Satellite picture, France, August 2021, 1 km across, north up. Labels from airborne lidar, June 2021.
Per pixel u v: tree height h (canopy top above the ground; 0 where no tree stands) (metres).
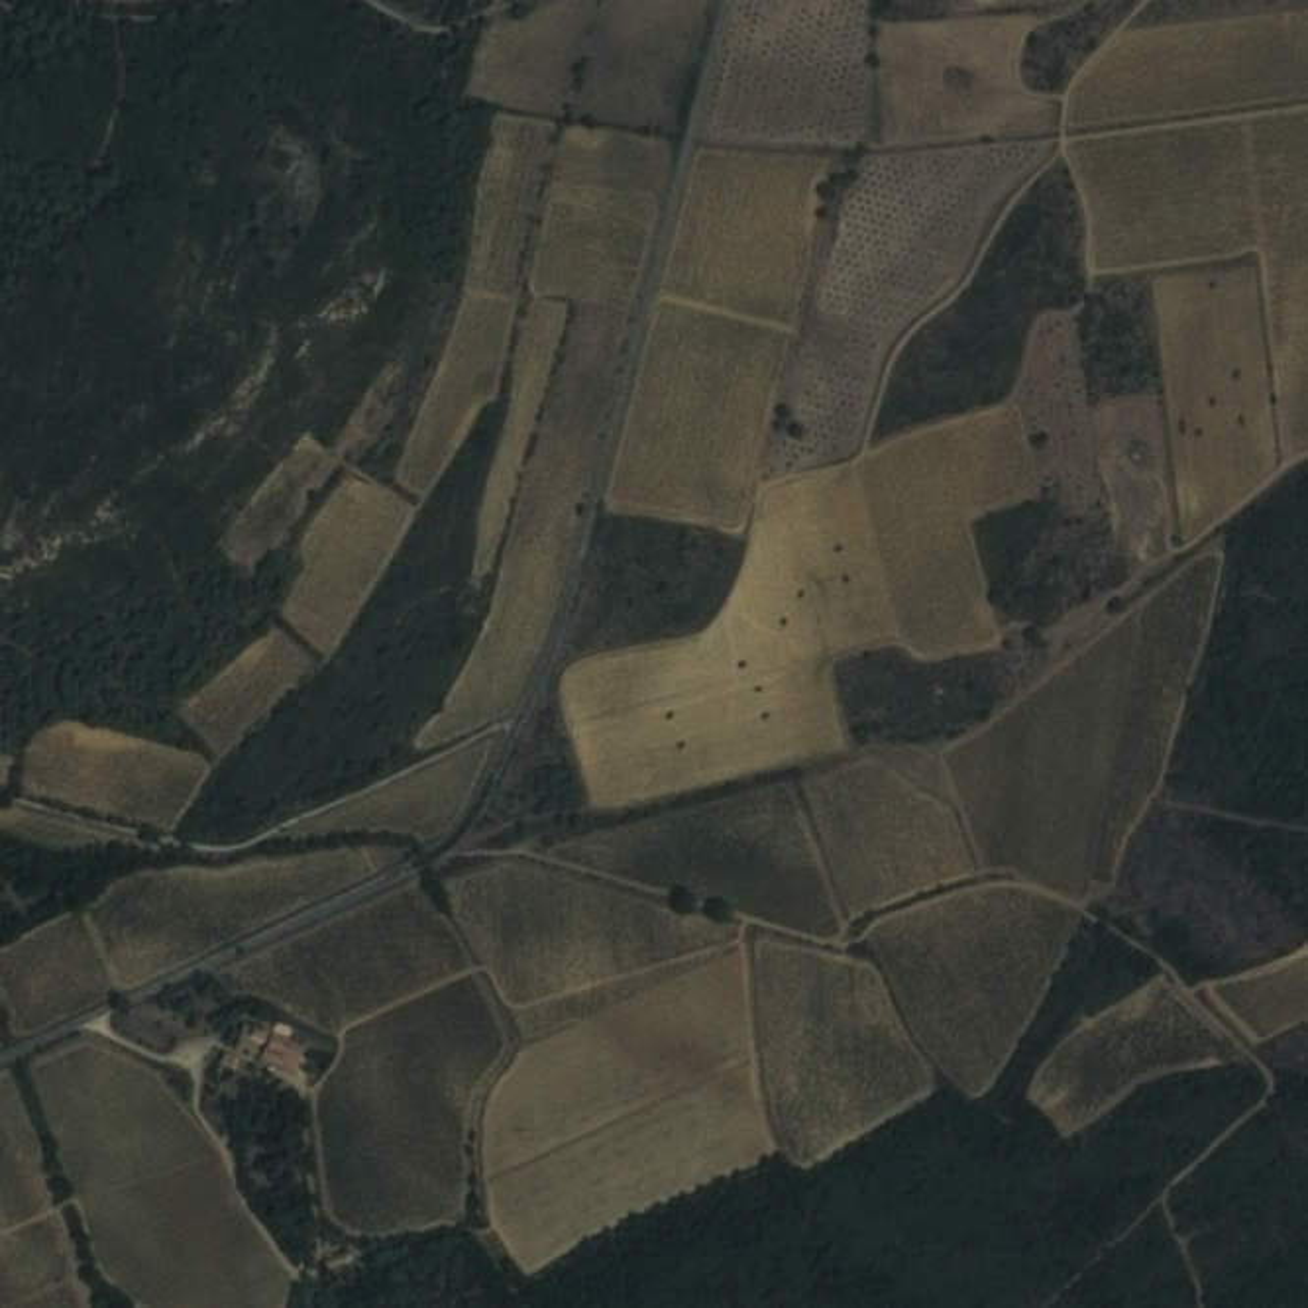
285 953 0
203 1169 0
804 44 0
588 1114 0
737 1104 0
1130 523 0
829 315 0
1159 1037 0
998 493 0
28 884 14
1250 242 0
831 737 0
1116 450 0
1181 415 0
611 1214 0
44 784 0
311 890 0
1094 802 0
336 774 10
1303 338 0
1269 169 0
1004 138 0
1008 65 0
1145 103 0
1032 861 0
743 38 0
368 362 0
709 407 0
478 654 0
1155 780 0
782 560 0
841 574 0
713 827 0
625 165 0
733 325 0
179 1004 7
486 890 0
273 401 0
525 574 0
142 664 12
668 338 0
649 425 0
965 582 0
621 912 0
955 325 0
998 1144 8
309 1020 0
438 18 8
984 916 0
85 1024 0
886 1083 0
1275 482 0
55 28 11
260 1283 0
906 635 0
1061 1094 0
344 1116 0
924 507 0
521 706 0
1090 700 0
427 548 0
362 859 0
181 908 0
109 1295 11
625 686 0
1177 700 0
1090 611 0
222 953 0
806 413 0
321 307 0
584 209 0
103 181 17
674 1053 0
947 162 0
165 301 0
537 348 0
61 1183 10
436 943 0
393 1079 0
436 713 8
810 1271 6
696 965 0
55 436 0
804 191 0
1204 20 0
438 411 0
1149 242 0
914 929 0
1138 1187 7
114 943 0
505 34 0
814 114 0
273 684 0
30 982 0
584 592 0
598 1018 0
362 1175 0
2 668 13
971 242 0
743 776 0
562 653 0
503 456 0
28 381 0
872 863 0
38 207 13
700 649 0
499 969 0
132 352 0
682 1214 7
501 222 0
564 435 0
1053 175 0
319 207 0
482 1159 0
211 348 0
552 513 0
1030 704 0
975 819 0
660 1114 0
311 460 0
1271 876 7
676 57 0
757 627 0
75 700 15
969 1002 0
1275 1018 0
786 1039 0
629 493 0
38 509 0
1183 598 0
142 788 0
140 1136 0
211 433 0
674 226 0
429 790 0
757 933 0
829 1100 0
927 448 0
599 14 0
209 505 0
